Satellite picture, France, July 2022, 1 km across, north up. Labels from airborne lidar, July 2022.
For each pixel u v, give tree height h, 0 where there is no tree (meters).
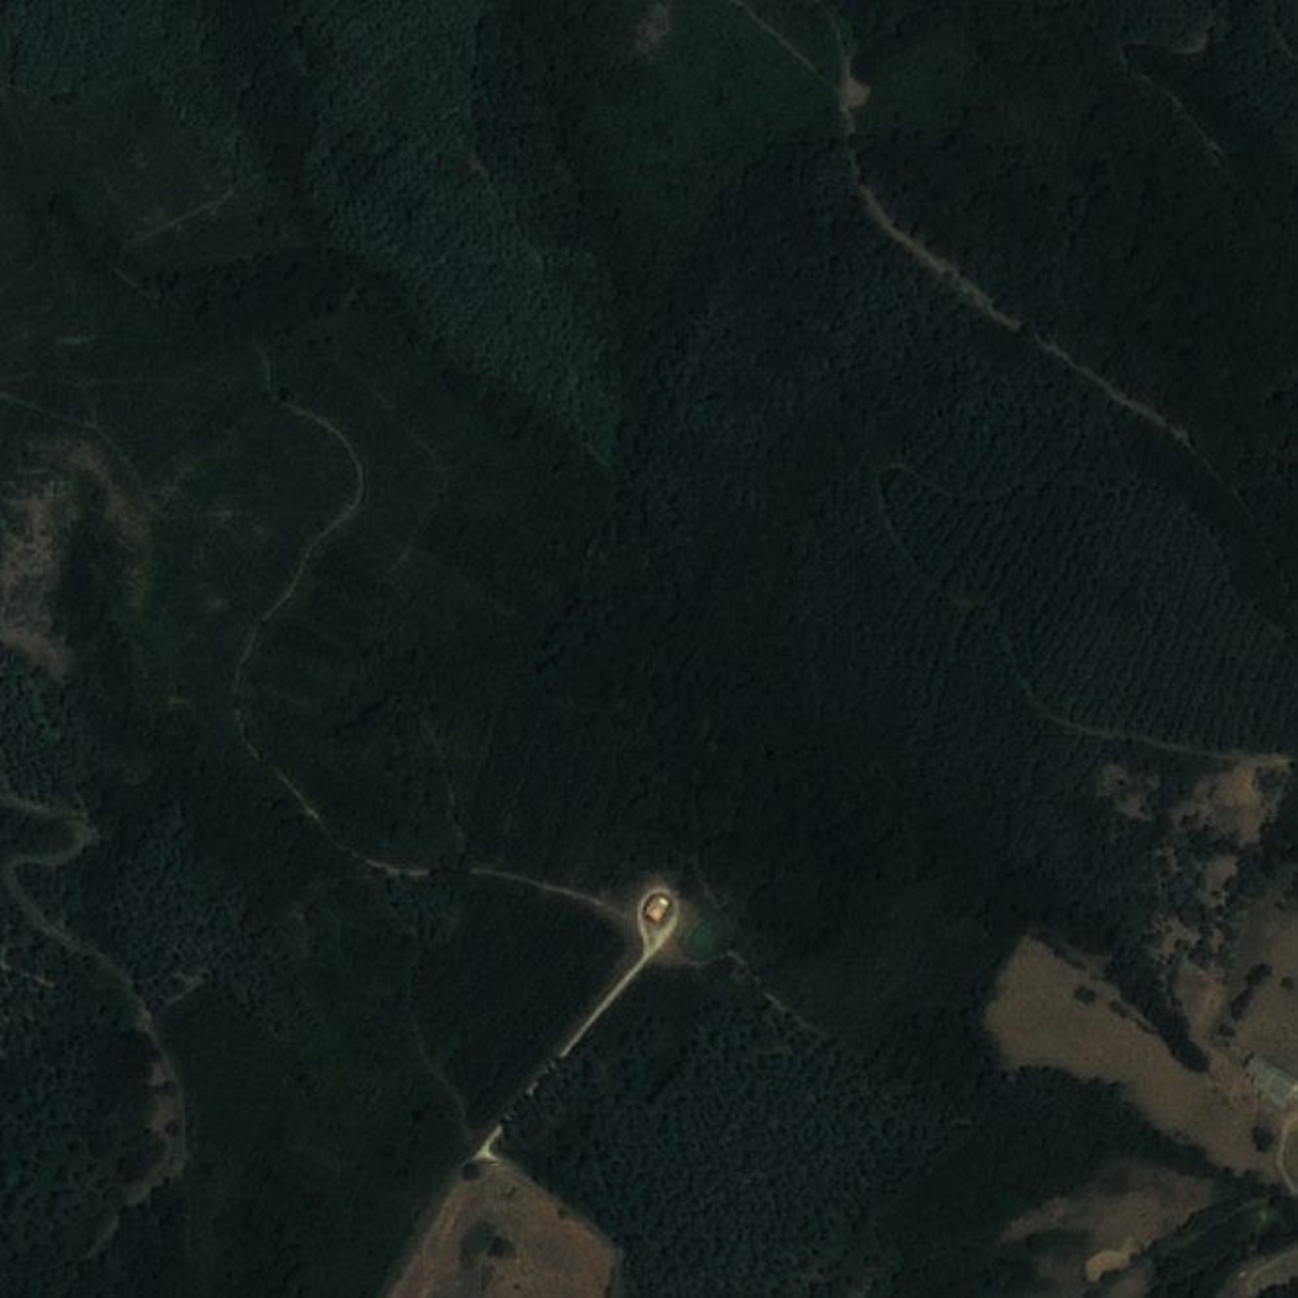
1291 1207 15
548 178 22
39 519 0
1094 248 22
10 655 14
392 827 7
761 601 22
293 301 13
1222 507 23
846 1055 21
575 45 6
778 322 18
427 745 14
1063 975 0
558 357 15
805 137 8
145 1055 16
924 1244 19
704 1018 17
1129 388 14
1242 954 0
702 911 0
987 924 10
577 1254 0
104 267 11
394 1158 8
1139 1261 13
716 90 8
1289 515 23
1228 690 13
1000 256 12
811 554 14
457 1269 0
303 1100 8
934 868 13
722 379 21
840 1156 21
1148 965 6
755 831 14
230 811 15
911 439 16
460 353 12
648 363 9
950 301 20
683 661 20
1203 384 24
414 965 8
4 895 21
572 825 9
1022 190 23
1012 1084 25
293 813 22
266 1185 9
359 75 12
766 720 24
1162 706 13
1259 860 10
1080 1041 0
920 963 8
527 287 11
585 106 9
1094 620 10
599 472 10
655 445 25
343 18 11
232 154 18
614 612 19
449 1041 12
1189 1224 8
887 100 6
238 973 21
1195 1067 16
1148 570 13
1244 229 16
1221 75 19
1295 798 7
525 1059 7
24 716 20
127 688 19
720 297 25
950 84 6
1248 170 22
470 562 7
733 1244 21
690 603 20
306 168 17
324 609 7
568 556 5
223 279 15
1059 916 25
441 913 24
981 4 17
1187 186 26
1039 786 15
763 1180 20
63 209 24
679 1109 21
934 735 8
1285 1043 0
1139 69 15
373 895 5
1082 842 14
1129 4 17
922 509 16
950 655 15
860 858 21
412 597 7
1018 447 18
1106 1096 15
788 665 16
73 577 12
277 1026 13
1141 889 14
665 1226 19
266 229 16
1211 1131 0
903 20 12
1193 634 13
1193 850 11
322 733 8
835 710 14
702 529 22
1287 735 13
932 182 16
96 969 22
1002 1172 20
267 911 20
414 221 20
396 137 15
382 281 19
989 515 14
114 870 12
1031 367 19
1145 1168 0
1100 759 12
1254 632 14
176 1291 8
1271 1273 0
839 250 18
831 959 10
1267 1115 0
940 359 8
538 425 9
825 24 8
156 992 22
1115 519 14
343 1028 7
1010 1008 0
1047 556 15
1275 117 16
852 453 15
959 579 19
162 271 12
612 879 12
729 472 19
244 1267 18
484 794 9
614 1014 8
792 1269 21
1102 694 11
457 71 15
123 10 13
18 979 15
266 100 21
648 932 0
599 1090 19
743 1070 20
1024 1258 0
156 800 13
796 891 17
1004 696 15
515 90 18
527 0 28
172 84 13
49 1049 16
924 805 17
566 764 9
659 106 9
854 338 18
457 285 15
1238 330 26
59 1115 19
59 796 21
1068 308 11
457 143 13
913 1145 19
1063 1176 17
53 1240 6
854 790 22
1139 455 15
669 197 7
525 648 6
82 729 12
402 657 9
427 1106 10
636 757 6
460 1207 0
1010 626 11
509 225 13
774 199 23
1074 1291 0
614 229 8
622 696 15
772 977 7
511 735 7
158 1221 8
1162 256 25
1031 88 6
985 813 12
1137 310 22
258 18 21
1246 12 21
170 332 6
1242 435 28
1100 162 9
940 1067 18
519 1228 0
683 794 10
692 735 22
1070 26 18
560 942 9
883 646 15
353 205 14
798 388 15
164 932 17
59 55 15
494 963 10
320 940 12
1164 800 10
